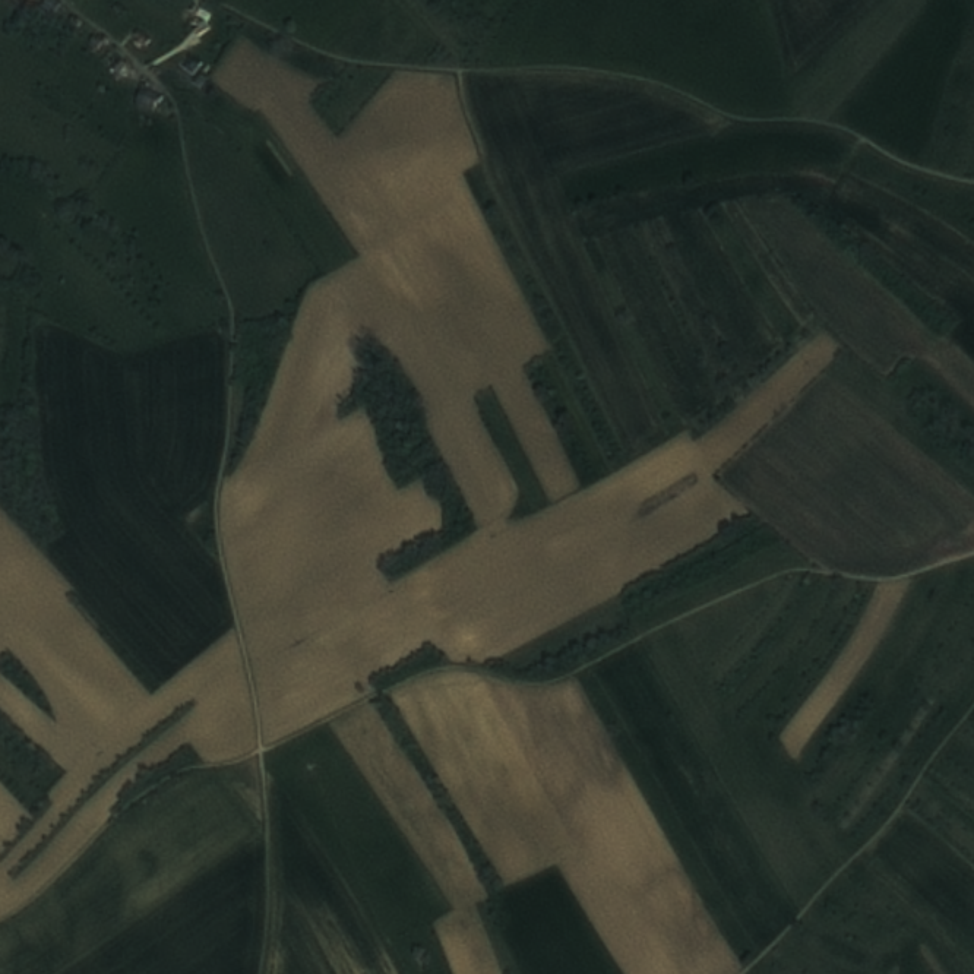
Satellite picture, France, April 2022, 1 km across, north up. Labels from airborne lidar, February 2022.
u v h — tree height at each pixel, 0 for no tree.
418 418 17
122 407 0
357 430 0
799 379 0
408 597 0
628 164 0
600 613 0
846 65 0
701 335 0
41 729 0
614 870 0
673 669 0
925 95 0
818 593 0
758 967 0
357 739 0
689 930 0
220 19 0
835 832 0
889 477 0
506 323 0
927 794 0
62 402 0
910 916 0
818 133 0
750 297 0
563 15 0
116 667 0
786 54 0
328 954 0
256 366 6
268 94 0
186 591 0
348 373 0
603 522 0
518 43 0
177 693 0
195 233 0
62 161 0
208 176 0
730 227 0
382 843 0
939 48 0
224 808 0
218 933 0
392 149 0
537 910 0
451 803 12
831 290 0
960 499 0
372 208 0
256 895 0
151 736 8
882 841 0
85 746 0
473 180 0
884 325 0
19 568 0
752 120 0
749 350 0
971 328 0
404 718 9
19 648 0
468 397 0
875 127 0
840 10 0
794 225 0
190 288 0
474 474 0
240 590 0
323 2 0
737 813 0
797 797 0
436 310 0
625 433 0
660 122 0
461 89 0
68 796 0
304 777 0
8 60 0
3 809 0
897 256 0
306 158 0
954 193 0
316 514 0
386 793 0
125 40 0
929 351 0
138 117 0
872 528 0
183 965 0
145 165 0
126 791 9
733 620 0
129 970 0
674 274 0
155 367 0
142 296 0
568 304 0
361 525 0
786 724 8
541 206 0
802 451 0
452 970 0
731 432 0
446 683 0
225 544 0
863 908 0
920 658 0
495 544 0
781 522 0
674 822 0
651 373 0
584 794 0
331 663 0
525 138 0
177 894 0
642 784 0
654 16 0
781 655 0
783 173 0
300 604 0
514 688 0
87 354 0
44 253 0
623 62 0
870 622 0
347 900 0
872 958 0
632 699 0
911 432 0
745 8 0
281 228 0
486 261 0
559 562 0
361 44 0
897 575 0
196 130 0
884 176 0
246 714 0
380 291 0
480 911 0
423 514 0
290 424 0
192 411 0
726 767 0
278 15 0
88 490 0
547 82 0
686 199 0
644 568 0
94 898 0
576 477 0
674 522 0
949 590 0
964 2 0
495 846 0
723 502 0
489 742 0
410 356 0
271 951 0
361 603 0
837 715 0
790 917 0
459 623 0
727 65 0
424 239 0
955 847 0
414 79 0
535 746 0
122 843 0
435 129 0
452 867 0
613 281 0
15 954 0
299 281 0
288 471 0
